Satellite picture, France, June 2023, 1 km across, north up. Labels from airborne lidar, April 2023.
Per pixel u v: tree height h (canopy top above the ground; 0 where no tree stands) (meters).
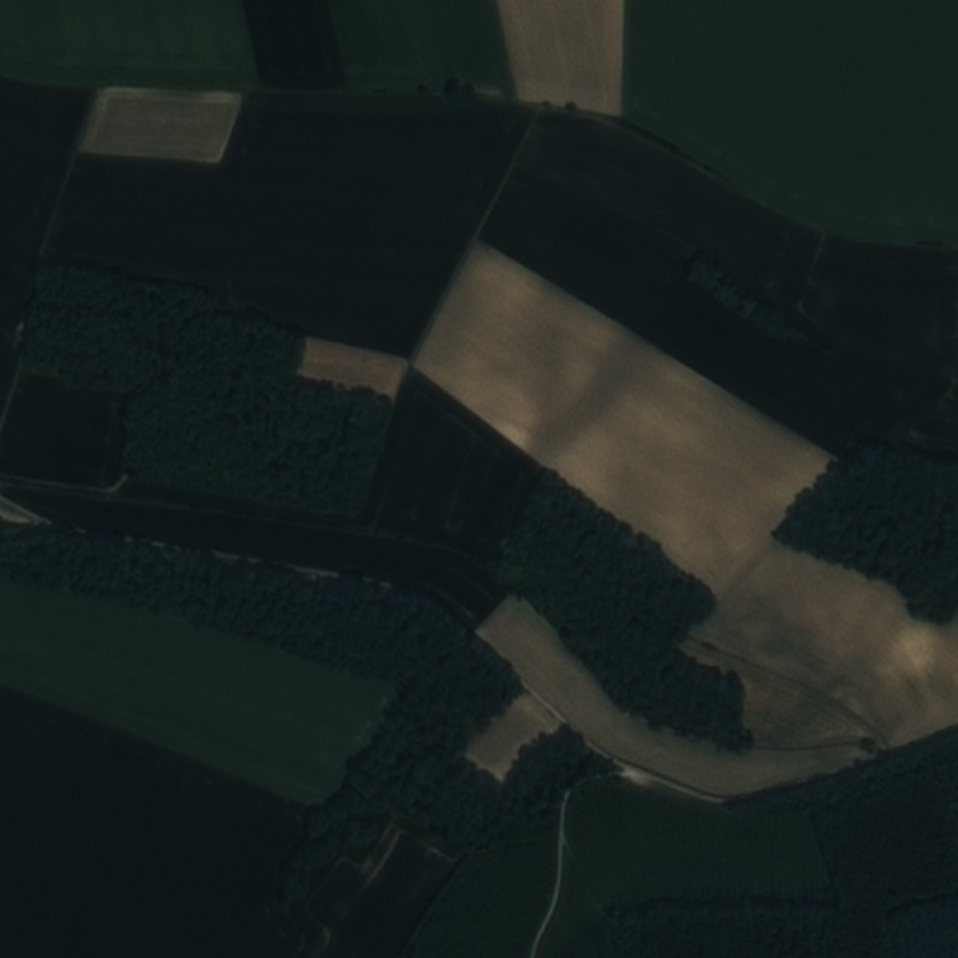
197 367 27
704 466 0
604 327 0
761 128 0
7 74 0
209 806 0
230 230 0
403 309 0
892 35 0
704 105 0
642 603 16
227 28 0
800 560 0
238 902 0
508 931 0
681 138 0
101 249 0
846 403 0
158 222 0
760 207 0
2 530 12
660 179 0
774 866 0
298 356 18
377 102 0
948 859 21
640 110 0
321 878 0
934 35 0
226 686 0
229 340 14
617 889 0
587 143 0
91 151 0
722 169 0
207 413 28
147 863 0
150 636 0
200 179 0
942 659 0
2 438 0
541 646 0
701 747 0
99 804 0
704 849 0
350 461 23
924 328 0
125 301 13
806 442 0
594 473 0
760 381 0
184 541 0
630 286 0
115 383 19
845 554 21
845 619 0
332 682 0
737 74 0
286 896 15
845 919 19
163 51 0
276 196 0
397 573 0
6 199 0
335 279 0
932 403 0
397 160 0
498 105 0
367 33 0
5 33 0
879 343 0
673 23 0
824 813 18
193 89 0
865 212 0
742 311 13
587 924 0
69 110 0
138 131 0
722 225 0
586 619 19
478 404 0
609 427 0
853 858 20
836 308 0
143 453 25
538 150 0
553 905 0
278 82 0
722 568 0
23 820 0
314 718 0
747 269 0
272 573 22
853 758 0
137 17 0
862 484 26
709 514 0
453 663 25
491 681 26
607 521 21
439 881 0
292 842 0
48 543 18
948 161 0
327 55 0
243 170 0
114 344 31
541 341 0
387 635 19
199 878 0
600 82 0
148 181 0
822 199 0
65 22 0
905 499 29
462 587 0
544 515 14
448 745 22
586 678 0
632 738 0
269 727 0
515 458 0
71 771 0
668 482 0
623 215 0
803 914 19
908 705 0
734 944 24
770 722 0
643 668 30
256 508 0
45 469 0
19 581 14
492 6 0
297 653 12
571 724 0
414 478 0
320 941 0
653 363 0
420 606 25
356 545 0
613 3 0
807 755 0
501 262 0
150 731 0
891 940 16
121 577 26
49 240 0
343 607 24
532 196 0
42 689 0
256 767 0
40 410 0
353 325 0
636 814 0
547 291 0
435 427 0
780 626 0
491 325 0
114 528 0
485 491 0
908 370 0
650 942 18
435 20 0
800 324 0
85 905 0
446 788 29
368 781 29
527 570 12
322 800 0
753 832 0
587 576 21
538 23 0
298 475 26
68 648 0
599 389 0
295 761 0
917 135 0
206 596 23
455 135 0
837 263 0
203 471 27
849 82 0
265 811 0
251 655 0
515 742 0
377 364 0
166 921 0
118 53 0
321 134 0
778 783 0
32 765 0
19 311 0
